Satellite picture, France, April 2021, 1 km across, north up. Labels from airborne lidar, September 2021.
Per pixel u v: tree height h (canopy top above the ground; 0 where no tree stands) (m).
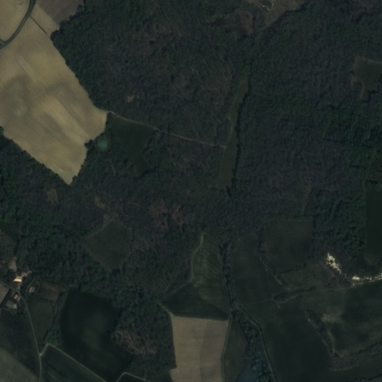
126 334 21
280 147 15
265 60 22
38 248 22
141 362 13
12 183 18
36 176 18
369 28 18
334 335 0
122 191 11
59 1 0
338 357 13
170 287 18
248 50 24
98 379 0
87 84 17
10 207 20
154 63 12
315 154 15
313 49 14
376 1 16
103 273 24
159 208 9
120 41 14
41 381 0
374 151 20
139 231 17
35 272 13
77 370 0
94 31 17
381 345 11
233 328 0
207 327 0
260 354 13
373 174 0
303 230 0
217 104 9
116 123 0
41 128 0
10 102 0
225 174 0
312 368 0
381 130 10
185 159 13
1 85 0
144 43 12
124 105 11
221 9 12
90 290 21
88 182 13
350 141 9
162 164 27
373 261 0
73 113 0
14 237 11
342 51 21
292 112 19
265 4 7
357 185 19
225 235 14
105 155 8
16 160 17
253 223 17
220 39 26
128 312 15
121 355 0
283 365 0
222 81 19
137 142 0
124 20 17
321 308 0
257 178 12
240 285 0
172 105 14
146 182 19
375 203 0
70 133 0
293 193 15
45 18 0
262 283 0
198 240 19
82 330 0
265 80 26
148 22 19
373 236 0
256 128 19
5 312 6
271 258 0
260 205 17
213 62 24
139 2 21
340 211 20
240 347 0
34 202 12
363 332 0
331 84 15
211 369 0
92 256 19
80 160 0
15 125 0
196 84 13
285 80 13
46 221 24
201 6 23
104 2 12
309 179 9
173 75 15
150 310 23
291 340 0
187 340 0
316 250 10
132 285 13
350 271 6
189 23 25
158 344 22
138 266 17
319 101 18
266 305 0
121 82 7
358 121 13
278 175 14
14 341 6
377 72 0
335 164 17
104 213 6
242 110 23
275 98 21
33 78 0
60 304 19
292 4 0
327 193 14
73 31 21
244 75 22
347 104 19
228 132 17
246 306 0
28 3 0
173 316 0
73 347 0
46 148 0
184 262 23
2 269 9
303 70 14
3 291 0
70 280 7
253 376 0
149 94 8
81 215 9
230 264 18
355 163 17
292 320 0
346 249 12
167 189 22
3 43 0
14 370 0
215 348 0
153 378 8
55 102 0
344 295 0
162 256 18
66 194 15
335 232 13
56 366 0
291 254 0
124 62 7
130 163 19
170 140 18
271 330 0
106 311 0
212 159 12
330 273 0
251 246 0
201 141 11
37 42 0
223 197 15
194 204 19
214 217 13
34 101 0
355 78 16
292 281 0
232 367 0
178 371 0
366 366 0
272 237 0
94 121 0
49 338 12
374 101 22
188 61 25
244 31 0
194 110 19
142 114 13
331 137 14
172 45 15
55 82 0
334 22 20
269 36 14
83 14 11
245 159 15
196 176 25
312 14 23
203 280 0
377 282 0
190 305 0
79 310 0
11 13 0
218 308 0
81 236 13
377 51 14
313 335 0
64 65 0
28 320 0
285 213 14
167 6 25
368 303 0
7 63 0
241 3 26
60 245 21
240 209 25
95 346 0
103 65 17
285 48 25
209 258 0
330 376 0
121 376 0
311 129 10
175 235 22
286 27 23
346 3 12
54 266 11
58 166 0
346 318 0
